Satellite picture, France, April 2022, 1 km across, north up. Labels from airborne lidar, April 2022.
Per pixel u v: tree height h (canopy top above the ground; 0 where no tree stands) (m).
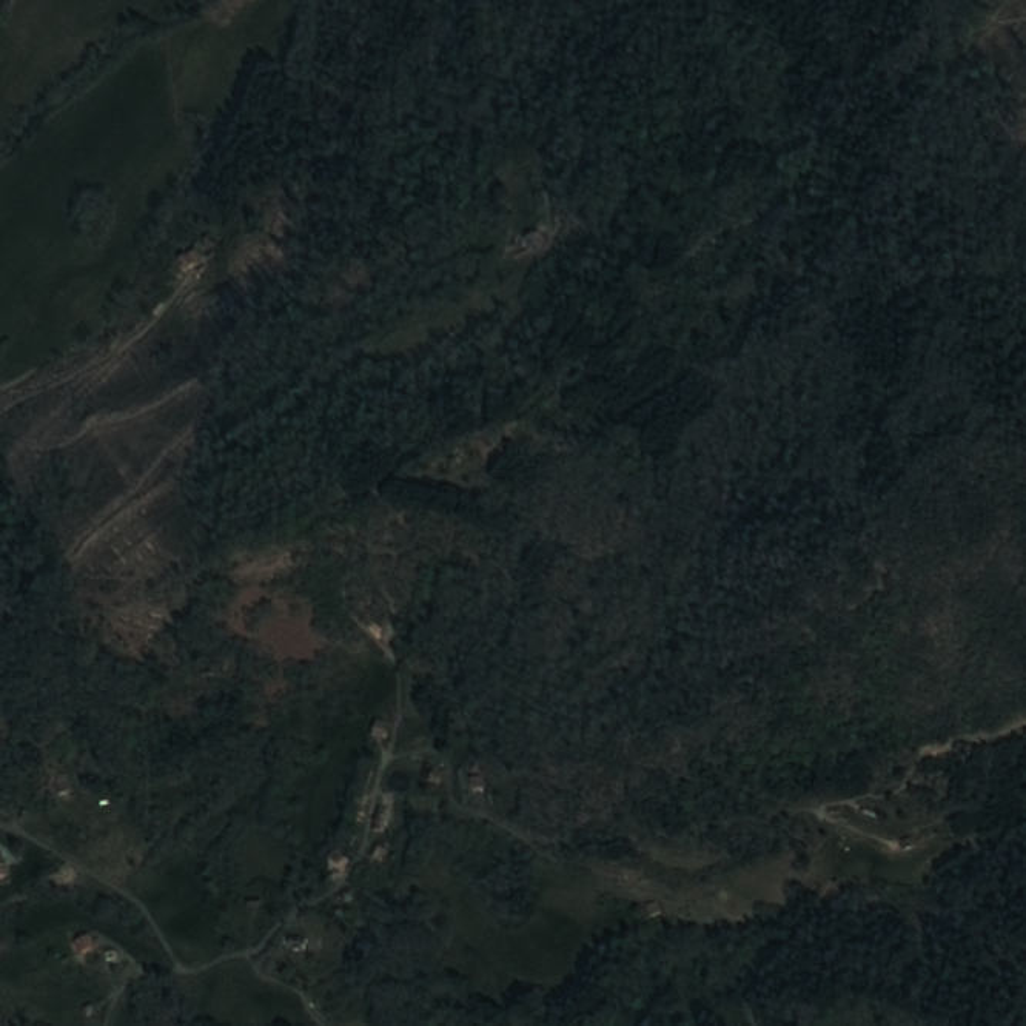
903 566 16
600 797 15
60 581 23
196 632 22
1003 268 17
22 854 12
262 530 18
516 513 16
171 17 14
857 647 18
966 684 21
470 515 29
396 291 9
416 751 0
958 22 20
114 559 0
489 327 19
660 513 19
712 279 9
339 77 24
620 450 20
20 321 0
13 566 24
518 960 0
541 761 16
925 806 14
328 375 12
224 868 6
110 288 0
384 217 29
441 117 15
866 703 15
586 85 23
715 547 15
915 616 16
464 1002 9
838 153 21
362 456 16
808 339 17
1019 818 21
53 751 13
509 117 31
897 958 29
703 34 24
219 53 0
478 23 26
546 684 8
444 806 6
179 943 0
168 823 7
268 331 32
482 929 0
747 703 9
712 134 19
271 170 29
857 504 18
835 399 21
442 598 21
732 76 25
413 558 14
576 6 31
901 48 20
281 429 14
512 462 21
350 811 17
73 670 20
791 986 22
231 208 30
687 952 21
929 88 27
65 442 0
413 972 11
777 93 9
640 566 14
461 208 22
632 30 28
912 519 17
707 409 15
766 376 19
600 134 30
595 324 11
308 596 9
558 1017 23
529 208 0
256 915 0
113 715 25
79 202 21
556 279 7
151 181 0
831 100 30
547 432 19
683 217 11
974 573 17
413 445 13
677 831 14
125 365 0
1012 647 22
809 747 18
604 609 9
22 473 0
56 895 23
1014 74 0
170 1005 22
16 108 6
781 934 36
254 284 0
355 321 7
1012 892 17
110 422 0
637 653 11
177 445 0
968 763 8
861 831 0
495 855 13
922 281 22
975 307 19
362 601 11
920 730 20
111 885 0
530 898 20
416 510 16
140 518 0
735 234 10
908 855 0
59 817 0
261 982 0
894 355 22
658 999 10
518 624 25
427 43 23
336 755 0
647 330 8
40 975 0
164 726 18
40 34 0
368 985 21
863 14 17
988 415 18
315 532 12
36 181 0
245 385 27
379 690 0
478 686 21
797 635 15
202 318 0
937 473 14
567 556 16
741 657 14
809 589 16
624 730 13
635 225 11
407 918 22
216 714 28
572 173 26
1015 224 21
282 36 0
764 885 0
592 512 18
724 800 11
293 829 9
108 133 0
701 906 0
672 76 25
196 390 0
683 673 7
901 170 27
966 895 25
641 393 20
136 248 0
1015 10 0
